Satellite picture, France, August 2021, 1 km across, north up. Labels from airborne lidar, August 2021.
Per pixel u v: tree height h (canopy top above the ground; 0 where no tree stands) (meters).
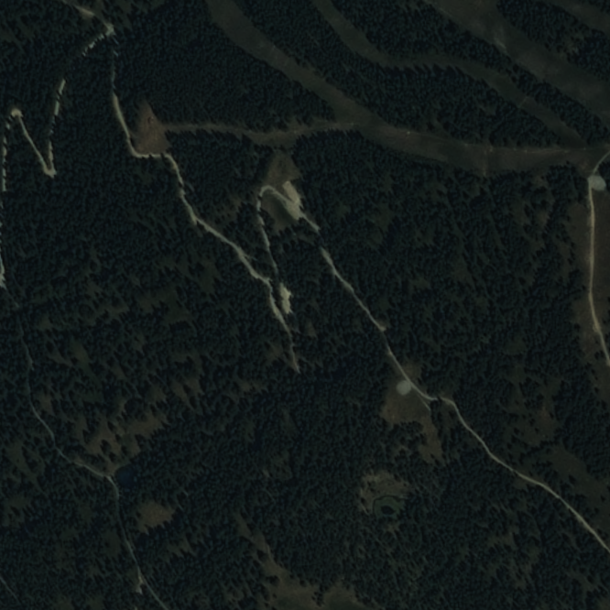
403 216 25
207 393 22
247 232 17
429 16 16
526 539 20
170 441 20
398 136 0
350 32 0
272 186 0
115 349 20
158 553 27
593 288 0
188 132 0
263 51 0
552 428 0
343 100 0
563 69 0
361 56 0
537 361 20
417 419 0
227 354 20
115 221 15
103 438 0
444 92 22
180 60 21
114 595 24
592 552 17
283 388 20
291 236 21
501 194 17
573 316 15
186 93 23
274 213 0
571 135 0
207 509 24
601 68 20
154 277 30
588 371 12
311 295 19
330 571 20
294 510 24
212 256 19
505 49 0
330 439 22
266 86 23
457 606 28
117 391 25
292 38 19
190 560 21
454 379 25
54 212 16
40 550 21
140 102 22
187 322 0
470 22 0
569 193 15
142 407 26
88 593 24
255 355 25
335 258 26
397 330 24
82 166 21
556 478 16
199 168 24
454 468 17
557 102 23
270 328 25
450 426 0
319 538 20
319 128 0
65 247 21
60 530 20
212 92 29
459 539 22
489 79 0
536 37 17
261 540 0
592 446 19
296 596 0
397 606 9
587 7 0
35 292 22
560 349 18
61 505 22
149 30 18
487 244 19
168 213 21
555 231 17
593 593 0
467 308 18
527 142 18
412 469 17
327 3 0
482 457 16
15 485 25
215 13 0
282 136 0
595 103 0
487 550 25
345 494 17
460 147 0
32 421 11
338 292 16
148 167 24
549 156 0
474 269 24
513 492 19
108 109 17
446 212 18
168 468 22
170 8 18
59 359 0
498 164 0
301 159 19
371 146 24
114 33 0
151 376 0
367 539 16
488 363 18
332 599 0
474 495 21
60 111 0
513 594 27
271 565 0
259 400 6
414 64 0
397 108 23
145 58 24
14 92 21
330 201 24
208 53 23
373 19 25
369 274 24
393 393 0
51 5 11
